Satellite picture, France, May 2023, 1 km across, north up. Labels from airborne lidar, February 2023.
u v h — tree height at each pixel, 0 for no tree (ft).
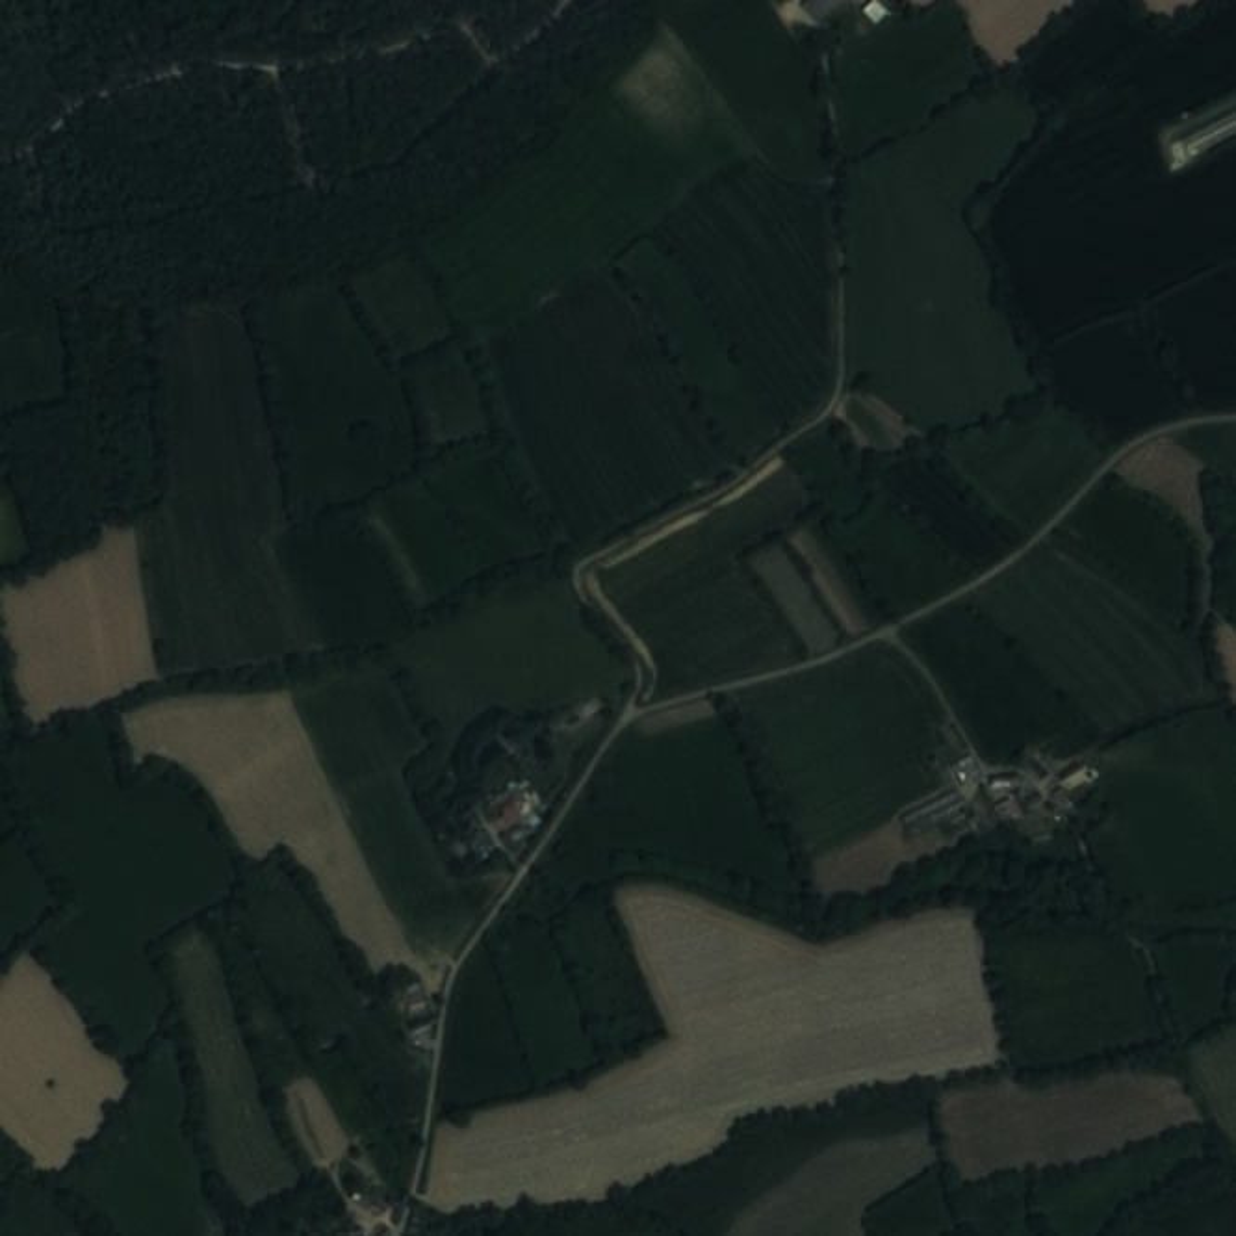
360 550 0
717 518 0
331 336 0
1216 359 0
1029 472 0
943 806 0
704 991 0
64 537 75
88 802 0
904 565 0
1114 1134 0
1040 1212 22
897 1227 0
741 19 0
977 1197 49
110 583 0
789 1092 0
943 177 0
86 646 0
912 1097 58
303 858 0
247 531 0
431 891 0
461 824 26
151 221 54
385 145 51
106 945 0
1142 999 0
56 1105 0
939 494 0
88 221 58
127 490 55
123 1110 35
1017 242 0
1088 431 39
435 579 0
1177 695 0
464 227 0
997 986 38
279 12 35
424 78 52
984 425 47
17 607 0
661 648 0
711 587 0
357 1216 0
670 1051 0
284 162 53
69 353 58
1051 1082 45
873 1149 0
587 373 0
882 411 0
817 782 0
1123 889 0
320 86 52
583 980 28
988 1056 0
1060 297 0
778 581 0
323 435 0
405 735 0
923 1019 0
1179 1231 0
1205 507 24
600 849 0
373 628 0
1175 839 0
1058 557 0
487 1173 0
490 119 62
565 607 0
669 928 0
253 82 55
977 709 0
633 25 68
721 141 0
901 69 0
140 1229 0
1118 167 0
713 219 0
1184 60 0
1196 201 0
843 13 0
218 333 0
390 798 0
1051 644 0
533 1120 0
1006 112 0
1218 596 27
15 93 0
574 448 0
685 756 0
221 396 0
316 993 0
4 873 0
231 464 0
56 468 53
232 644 0
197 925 40
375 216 68
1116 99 0
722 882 26
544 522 38
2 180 59
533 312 0
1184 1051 35
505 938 23
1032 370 44
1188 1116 0
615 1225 0
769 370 0
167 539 0
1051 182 0
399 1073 0
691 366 0
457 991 0
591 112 0
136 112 51
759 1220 0
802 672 0
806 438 0
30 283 61
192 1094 30
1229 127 0
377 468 0
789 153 0
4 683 20
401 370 45
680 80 0
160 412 57
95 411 20
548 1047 0
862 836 0
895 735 0
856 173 39
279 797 0
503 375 0
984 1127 0
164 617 0
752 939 0
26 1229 0
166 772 37
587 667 0
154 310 67
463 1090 0
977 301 0
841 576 0
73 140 56
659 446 0
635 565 0
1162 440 0
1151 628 0
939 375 0
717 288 0
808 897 41
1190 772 0
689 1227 0
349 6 44
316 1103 0
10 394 0
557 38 51
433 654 0
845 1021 0
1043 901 27
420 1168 0
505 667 0
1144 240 0
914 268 0
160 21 19
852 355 0
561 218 0
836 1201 0
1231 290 0
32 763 0
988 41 0
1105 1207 0
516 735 61
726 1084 0
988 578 0
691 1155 0
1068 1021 0
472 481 0
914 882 64
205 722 0
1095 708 0
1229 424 0
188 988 0
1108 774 0
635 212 0
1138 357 0
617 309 0
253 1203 0
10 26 56
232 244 60
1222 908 20
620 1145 0
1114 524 0
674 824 0
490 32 43
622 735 0
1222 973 0
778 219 0
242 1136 0
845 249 38
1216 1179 64
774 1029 0
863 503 21
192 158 46
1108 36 0
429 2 46
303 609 0
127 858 0
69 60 32
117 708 22
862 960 0
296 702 0
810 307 0
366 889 0
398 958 0
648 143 0
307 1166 31
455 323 36
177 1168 0
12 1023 0
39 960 49
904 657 0
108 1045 51
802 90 0
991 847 0
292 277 67
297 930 0
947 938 0
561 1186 0
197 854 0
